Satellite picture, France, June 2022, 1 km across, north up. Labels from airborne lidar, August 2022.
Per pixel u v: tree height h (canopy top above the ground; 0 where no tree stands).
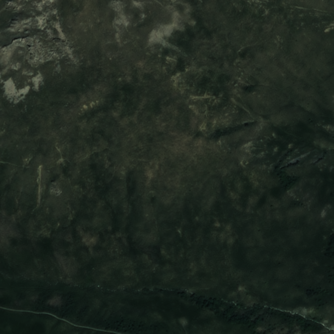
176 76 0
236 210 0
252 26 0
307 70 0
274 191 0
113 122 0
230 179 0
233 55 0
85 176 0
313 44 0
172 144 0
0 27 0
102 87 0
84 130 0
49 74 0
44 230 0
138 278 0
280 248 0
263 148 0
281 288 0
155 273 0
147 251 0
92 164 0
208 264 0
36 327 0
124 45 0
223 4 0
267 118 0
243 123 0
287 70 0
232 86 0
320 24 0
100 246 0
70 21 0
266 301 0
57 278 0
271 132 0
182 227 0
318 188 0
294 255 0
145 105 0
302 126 0
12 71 0
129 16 0
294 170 0
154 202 0
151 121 0
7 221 0
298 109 0
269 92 0
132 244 0
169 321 0
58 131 0
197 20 0
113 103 0
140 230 0
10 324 0
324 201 0
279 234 0
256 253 0
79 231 0
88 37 0
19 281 0
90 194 0
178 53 0
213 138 0
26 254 0
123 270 0
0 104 0
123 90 0
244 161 0
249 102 0
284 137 0
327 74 0
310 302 0
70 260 0
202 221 0
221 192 0
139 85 0
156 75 0
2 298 0
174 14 0
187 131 0
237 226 0
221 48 0
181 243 0
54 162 0
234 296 0
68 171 0
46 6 0
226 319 8
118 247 0
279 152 0
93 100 0
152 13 0
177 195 0
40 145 0
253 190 0
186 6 0
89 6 0
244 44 0
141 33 0
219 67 0
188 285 0
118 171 0
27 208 0
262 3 0
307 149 0
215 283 0
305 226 0
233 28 0
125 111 0
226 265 0
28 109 0
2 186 0
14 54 0
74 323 0
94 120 0
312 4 0
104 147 0
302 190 0
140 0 0
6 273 0
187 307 0
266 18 0
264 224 0
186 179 0
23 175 0
